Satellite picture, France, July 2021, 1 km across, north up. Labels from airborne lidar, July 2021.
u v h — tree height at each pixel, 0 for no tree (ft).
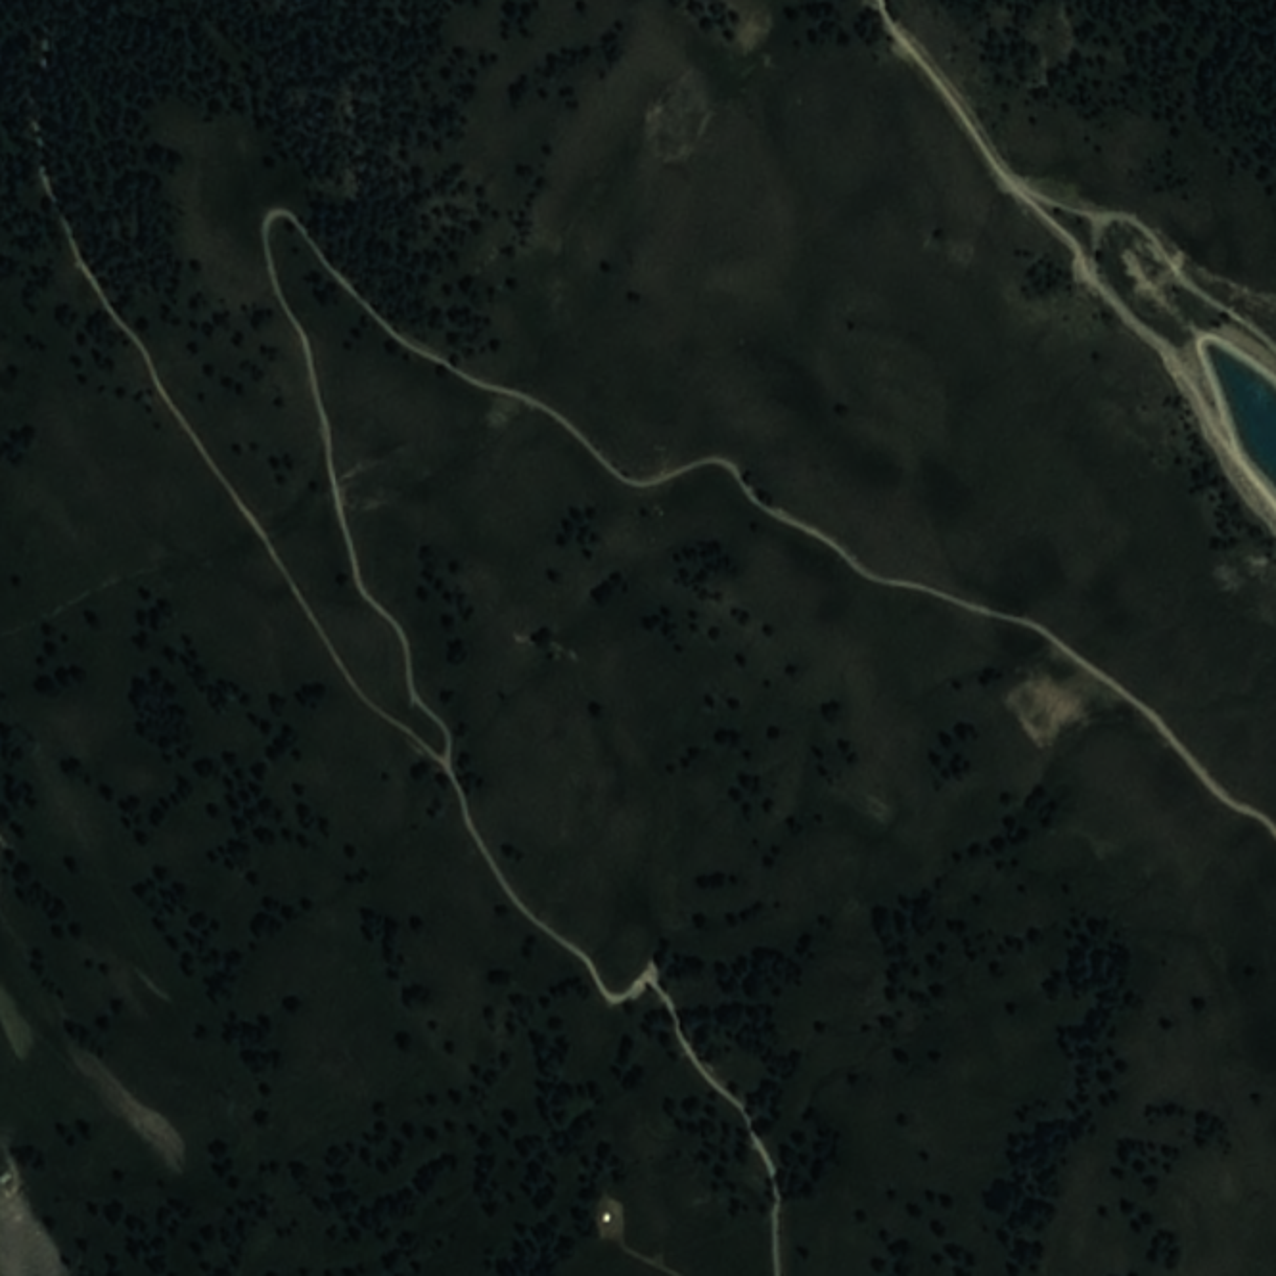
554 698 0
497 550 0
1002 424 0
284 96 60
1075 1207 0
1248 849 0
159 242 43
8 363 0
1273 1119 0
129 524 0
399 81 33
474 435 0
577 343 0
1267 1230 0
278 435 0
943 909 0
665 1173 0
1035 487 0
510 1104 0
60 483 0
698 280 0
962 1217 0
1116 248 0
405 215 54
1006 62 52
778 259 0
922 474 0
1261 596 0
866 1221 42
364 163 31
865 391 0
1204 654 0
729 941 0
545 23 0
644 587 0
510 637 0
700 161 0
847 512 0
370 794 0
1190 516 0
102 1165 0
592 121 0
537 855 0
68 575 0
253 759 0
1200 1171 0
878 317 0
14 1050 0
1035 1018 0
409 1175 0
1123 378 0
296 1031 0
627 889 0
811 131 0
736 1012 62
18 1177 0
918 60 0
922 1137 0
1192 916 0
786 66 0
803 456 0
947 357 0
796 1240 0
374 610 0
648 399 0
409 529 0
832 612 0
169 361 0
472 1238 0
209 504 0
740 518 0
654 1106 0
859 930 0
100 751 0
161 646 0
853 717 0
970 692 0
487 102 0
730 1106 0
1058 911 0
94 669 0
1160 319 0
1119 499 0
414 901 0
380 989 0
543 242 0
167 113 0
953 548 0
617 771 0
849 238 0
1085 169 0
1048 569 0
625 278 0
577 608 0
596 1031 0
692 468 0
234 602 0
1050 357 0
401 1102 0
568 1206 0
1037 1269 47
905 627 0
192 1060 0
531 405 0
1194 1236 0
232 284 0
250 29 50
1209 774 0
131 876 0
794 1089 0
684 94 0
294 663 0
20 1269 0
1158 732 0
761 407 0
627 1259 0
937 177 0
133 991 0
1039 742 0
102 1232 0
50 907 55
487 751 0
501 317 0
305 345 0
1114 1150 0
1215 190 0
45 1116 0
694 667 0
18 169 50
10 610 0
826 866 0
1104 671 0
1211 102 50
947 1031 0
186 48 78
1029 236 0
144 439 0
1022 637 0
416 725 0
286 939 0
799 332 0
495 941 0
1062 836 0
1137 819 0
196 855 0
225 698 71
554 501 0
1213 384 0
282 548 0
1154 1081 0
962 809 0
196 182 0
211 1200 0
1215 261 0
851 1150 0
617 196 0
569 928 0
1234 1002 0
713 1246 0
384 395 0
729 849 0
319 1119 0
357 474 0
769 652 0
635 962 0
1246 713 0
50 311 0
